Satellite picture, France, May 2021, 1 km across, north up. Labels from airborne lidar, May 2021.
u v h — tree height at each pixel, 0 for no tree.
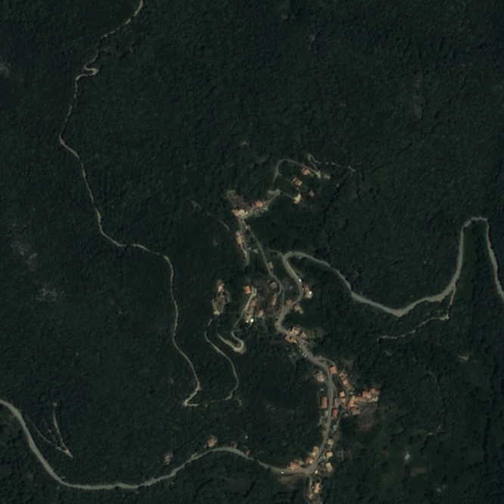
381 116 14
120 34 12
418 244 14
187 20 12
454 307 13
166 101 13
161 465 13
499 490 19
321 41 10
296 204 9
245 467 12
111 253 16
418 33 22
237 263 12
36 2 10
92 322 13
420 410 15
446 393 14
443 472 0
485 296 16
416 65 11
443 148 9
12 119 11
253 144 10
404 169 11
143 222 6
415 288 8
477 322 24
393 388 10
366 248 10
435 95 15
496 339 16
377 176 11
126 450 15
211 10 6
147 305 6
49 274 9
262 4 11
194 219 6
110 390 6
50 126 14
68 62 16
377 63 13
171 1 13
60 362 12
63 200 19
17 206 11
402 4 14
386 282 9
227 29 12
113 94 15
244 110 13
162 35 20
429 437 13
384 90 14
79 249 16
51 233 11
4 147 16
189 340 6
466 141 14
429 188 16
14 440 7
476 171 11
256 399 8
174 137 8
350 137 7
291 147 9
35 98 9
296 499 18
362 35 19
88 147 15
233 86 14
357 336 24
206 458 11
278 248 18
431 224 22
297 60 13
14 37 13
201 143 9
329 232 10
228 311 15
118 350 11
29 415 12
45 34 15
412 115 16
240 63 11
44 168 16
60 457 8
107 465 16
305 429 18
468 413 16
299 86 16
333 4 17
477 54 18
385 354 14
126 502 19
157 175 9
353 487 19
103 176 13
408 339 13
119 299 15
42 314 10
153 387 17
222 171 16
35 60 11
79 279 11
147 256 8
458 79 17
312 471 0
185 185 8
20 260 8
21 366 15
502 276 9
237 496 19
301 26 15
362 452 11
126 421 15
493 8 19
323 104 16
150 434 21
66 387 10
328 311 15
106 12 8
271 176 15
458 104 24
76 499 16
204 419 9
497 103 11
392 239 14
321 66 16
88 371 14
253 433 7
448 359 10
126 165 13
